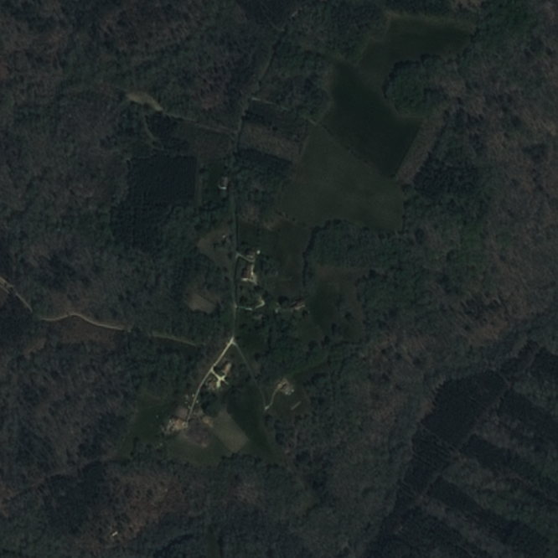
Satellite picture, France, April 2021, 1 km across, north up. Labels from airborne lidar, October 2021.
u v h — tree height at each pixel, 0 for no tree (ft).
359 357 39
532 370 27
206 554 34
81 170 28
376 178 0
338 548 31
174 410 0
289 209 0
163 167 37
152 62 52
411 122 0
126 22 31
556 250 67
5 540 64
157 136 31
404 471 47
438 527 77
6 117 56
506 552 37
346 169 0
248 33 45
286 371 54
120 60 67
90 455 56
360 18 74
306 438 27
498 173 51
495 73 59
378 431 57
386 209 0
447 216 52
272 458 0
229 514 52
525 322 51
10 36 39
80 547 29
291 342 73
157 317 59
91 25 80
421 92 59
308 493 48
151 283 32
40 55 0
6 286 0
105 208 43
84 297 45
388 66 0
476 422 37
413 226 45
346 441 30
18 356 32
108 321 51
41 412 45
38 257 55
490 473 45
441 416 42
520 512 71
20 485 59
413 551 62
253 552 78
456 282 64
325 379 49
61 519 57
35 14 63
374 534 83
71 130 33
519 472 79
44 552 62
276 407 0
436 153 43
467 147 48
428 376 52
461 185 46
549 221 39
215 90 40
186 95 24
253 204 43
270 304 62
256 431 0
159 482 40
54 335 50
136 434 0
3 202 69
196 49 47
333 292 0
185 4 74
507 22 51
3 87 65
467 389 48
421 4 77
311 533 47
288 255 0
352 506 63
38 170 64
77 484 44
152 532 49
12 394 64
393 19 0
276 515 69
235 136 20
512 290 63
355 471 57
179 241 58
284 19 43
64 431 50
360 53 71
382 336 56
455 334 69
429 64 63
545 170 37
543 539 77
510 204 60
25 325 62
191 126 24
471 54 66
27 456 52
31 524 64
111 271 39
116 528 34
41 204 71
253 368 0
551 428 44
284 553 60
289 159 32
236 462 49
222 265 0
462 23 42
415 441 35
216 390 21
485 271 51
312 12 60
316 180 0
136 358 49
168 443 0
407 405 57
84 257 50
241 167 33
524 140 46
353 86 0
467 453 45
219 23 57
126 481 46
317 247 71
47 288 98
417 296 56
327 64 61
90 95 23
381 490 69
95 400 33
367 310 46
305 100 55
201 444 0
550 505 36
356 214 0
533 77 64
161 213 58
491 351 52
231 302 43
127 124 24
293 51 71
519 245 62
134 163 47
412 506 30
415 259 53
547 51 58
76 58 73
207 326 65
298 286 0
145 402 0
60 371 55
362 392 85
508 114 71
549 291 62
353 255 56
